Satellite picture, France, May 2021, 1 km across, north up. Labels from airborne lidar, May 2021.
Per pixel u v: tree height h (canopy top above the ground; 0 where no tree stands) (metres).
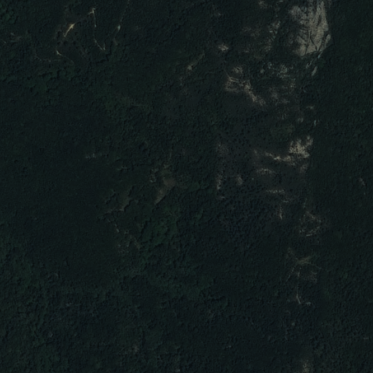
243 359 16
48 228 10
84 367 15
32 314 25
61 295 18
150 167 13
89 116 16
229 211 7
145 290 14
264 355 17
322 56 9
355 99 16
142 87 13
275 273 15
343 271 17
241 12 11
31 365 16
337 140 12
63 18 13
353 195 14
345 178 17
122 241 12
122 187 14
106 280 16
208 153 8
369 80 12
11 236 20
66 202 13
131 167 8
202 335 14
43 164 17
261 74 8
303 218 10
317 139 8
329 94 7
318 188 11
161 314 16
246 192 10
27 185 17
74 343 14
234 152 9
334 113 11
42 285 21
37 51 5
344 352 13
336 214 8
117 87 18
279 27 7
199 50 13
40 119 15
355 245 18
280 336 11
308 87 13
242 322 14
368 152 17
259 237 9
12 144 15
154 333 18
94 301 14
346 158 12
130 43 9
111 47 13
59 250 17
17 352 10
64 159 14
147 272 17
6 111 13
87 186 13
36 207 13
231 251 12
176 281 23
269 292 12
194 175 8
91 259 16
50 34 16
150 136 9
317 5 0
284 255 9
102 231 18
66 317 9
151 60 11
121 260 16
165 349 19
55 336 11
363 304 17
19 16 15
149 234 23
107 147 15
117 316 12
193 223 16
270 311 12
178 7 8
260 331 12
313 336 12
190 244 22
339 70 11
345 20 10
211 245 17
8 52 7
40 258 10
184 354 15
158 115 9
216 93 8
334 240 13
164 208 16
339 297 14
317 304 7
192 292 25
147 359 14
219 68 7
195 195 11
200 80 7
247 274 17
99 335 18
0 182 17
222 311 12
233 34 7
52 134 14
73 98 16
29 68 15
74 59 5
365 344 13
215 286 22
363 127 16
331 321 21
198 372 16
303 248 6
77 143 21
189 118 7
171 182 0
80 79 13
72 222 15
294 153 7
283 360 11
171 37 10
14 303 16
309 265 6
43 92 16
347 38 14
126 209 14
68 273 17
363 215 15
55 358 19
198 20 9
